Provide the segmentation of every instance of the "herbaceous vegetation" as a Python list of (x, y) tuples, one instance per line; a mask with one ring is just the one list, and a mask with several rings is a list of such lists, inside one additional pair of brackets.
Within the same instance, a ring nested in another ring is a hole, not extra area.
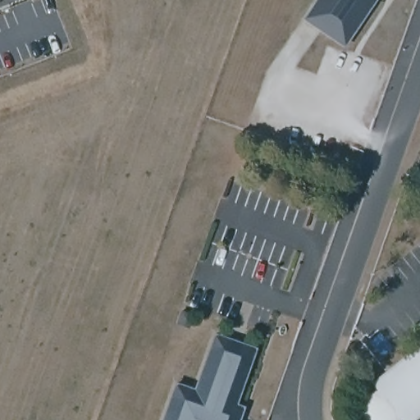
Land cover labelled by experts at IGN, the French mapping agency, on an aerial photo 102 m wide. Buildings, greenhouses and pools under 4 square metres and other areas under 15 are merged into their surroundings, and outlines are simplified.
[(340, 43), (338, 39), (320, 30), (310, 48), (300, 57), (297, 67), (302, 71), (318, 72), (326, 48), (349, 54), (356, 49), (358, 41)]
[(202, 312), (185, 313), (185, 308), (189, 302), (195, 269), (202, 262), (207, 249), (205, 241), (217, 217), (220, 202), (225, 200), (226, 185), (231, 177), (235, 177), (235, 180), (240, 179), (240, 172), (244, 169), (244, 159), (235, 149), (235, 138), (243, 131), (244, 128), (254, 125), (251, 113), (261, 94), (267, 69), (289, 41), (290, 34), (300, 25), (300, 21), (307, 20), (308, 13), (317, 0), (246, 0), (240, 23), (231, 41), (225, 64), (218, 75), (215, 90), (208, 103), (207, 115), (200, 125), (199, 136), (185, 167), (184, 179), (164, 226), (161, 244), (157, 248), (156, 258), (149, 271), (141, 299), (136, 305), (135, 317), (131, 320), (130, 330), (121, 348), (120, 358), (108, 384), (97, 420), (164, 420), (174, 389), (179, 386), (180, 381), (195, 386), (195, 379), (202, 376), (213, 340), (218, 336), (218, 328), (220, 328), (221, 317), (210, 315), (203, 318)]
[(302, 330), (302, 322), (297, 318), (279, 315), (276, 330), (269, 336), (269, 343), (266, 346), (261, 371), (254, 381), (251, 392), (253, 407), (248, 420), (269, 420), (276, 405), (277, 395), (281, 392), (282, 381), (294, 353), (295, 343)]
[(377, 85), (381, 90), (376, 94), (376, 102), (367, 103), (363, 115), (363, 125), (372, 131), (418, 0), (394, 0), (363, 49), (364, 56), (374, 59), (381, 66), (377, 75)]
[(389, 264), (390, 258), (395, 254), (407, 256), (420, 246), (420, 220), (405, 220), (404, 215), (400, 213), (399, 203), (407, 200), (407, 190), (402, 177), (409, 176), (409, 169), (413, 164), (420, 167), (420, 112), (413, 125), (412, 135), (405, 148), (394, 184), (390, 187), (389, 200), (382, 215), (381, 225), (359, 279), (358, 290), (354, 294), (359, 302), (364, 302), (364, 308), (374, 308), (366, 302), (367, 294), (374, 285), (379, 285), (394, 276)]
[(87, 61), (89, 44), (85, 41), (84, 31), (80, 28), (80, 21), (75, 15), (71, 0), (56, 0), (56, 8), (51, 8), (51, 13), (56, 13), (66, 34), (66, 43), (59, 49), (59, 54), (34, 54), (28, 59), (16, 61), (13, 67), (8, 61), (0, 66), (0, 95), (5, 90), (15, 89), (18, 85), (28, 84)]

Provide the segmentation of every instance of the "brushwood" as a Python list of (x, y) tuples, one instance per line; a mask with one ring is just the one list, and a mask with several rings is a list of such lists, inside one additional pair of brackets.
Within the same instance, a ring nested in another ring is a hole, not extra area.
[(236, 400), (236, 407), (241, 409), (238, 420), (248, 420), (253, 407), (251, 392), (254, 381), (261, 371), (266, 346), (258, 345), (254, 348), (253, 359), (249, 364), (249, 382), (244, 382), (243, 392)]
[(294, 287), (300, 262), (304, 259), (304, 254), (294, 251), (282, 277), (281, 289), (285, 292), (290, 292)]

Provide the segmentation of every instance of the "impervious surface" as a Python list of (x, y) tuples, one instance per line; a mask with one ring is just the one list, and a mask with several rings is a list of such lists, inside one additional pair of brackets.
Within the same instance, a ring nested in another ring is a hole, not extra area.
[[(297, 318), (302, 322), (302, 330), (295, 343), (294, 353), (282, 381), (281, 392), (277, 395), (276, 405), (269, 420), (335, 420), (333, 390), (338, 386), (338, 372), (343, 354), (356, 353), (363, 359), (369, 359), (372, 371), (379, 377), (392, 364), (399, 338), (407, 335), (412, 323), (420, 323), (420, 246), (407, 256), (395, 254), (390, 258), (389, 264), (394, 276), (379, 285), (374, 285), (367, 294), (366, 302), (374, 308), (364, 308), (364, 302), (359, 302), (354, 294), (358, 290), (359, 279), (381, 225), (382, 215), (389, 200), (390, 187), (394, 184), (405, 148), (412, 135), (413, 125), (420, 112), (420, 0), (418, 0), (372, 131), (381, 133), (382, 138), (386, 139), (386, 143), (379, 151), (381, 162), (369, 177), (366, 194), (359, 200), (356, 210), (348, 210), (345, 215), (330, 217), (328, 220), (325, 215), (318, 213), (307, 217), (307, 210), (294, 212), (285, 207), (285, 203), (271, 202), (266, 199), (266, 195), (261, 197), (258, 192), (246, 194), (235, 184), (235, 180), (235, 177), (231, 177), (226, 185), (225, 200), (220, 202), (217, 217), (205, 241), (207, 249), (202, 262), (195, 269), (189, 302), (185, 308), (185, 313), (202, 312), (203, 318), (210, 315), (221, 317), (223, 317), (223, 315), (228, 315), (228, 317), (230, 317), (231, 325), (236, 326), (236, 333), (231, 333), (231, 335), (238, 340), (244, 340), (244, 333), (249, 330), (258, 330), (262, 335), (269, 336), (276, 330), (279, 315)], [(304, 254), (304, 259), (300, 262), (294, 287), (290, 292), (285, 292), (281, 289), (282, 277), (294, 251)]]
[(56, 0), (0, 0), (0, 66), (8, 61), (13, 67), (16, 61), (28, 59), (34, 54), (59, 54), (59, 49), (66, 43), (66, 34), (56, 13), (51, 13), (51, 8), (56, 8)]

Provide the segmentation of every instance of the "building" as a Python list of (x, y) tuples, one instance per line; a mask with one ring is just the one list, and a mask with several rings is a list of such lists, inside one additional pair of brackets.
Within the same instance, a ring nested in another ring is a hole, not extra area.
[(338, 39), (340, 43), (358, 41), (384, 0), (317, 0), (308, 13), (307, 20), (310, 25), (320, 30)]
[(238, 420), (241, 409), (236, 407), (236, 400), (243, 392), (244, 382), (249, 382), (249, 364), (253, 359), (254, 348), (244, 345), (244, 340), (238, 340), (231, 335), (218, 336), (213, 340), (202, 376), (195, 379), (195, 386), (180, 381), (179, 386), (174, 389), (164, 420)]
[(392, 364), (379, 377), (376, 392), (372, 394), (367, 405), (369, 420), (420, 420), (420, 351), (400, 359), (399, 363)]

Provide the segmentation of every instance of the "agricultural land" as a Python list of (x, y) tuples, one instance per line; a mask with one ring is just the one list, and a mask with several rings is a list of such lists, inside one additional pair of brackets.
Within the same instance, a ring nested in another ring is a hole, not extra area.
[(240, 23), (246, 0), (71, 0), (75, 15), (80, 21), (80, 28), (84, 31), (85, 41), (89, 44), (87, 61), (28, 84), (18, 85), (15, 89), (5, 90), (0, 95), (0, 420), (97, 420), (108, 384), (120, 358), (121, 348), (130, 330), (131, 320), (135, 317), (136, 305), (141, 299), (149, 271), (156, 258), (157, 248), (161, 244), (164, 226), (184, 179), (185, 167), (199, 136), (200, 125), (207, 115), (208, 103), (215, 90), (218, 75), (225, 64), (231, 41)]

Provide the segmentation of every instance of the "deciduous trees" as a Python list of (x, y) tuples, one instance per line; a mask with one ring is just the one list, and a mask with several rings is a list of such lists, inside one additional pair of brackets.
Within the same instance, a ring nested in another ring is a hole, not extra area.
[(402, 177), (407, 190), (407, 200), (399, 203), (400, 213), (404, 215), (405, 220), (420, 220), (420, 167), (413, 164), (409, 169), (409, 176)]
[(331, 166), (331, 157), (323, 153), (312, 154), (310, 159), (305, 159), (299, 154), (284, 153), (272, 139), (254, 143), (251, 136), (244, 135), (243, 131), (235, 138), (235, 149), (244, 159), (244, 169), (240, 172), (240, 179), (235, 180), (235, 184), (246, 194), (258, 192), (261, 197), (266, 195), (266, 199), (271, 202), (285, 203), (285, 207), (294, 212), (307, 210), (307, 217), (318, 213), (325, 215), (328, 220), (330, 217), (345, 215), (348, 210), (346, 203), (349, 194), (356, 190), (358, 182), (356, 177), (349, 176), (348, 169)]
[(369, 359), (363, 359), (356, 353), (343, 354), (338, 372), (338, 386), (333, 390), (335, 420), (369, 420), (367, 405), (372, 394), (376, 392), (379, 377), (372, 371)]
[(269, 343), (269, 336), (262, 335), (258, 330), (249, 330), (244, 333), (244, 340), (244, 345), (254, 348), (258, 345), (266, 346)]
[(236, 326), (231, 325), (230, 317), (228, 317), (228, 315), (223, 315), (223, 317), (221, 317), (220, 328), (218, 328), (218, 336), (231, 335), (231, 333), (236, 333)]
[(407, 335), (399, 338), (392, 364), (399, 363), (400, 359), (420, 351), (420, 323), (412, 323)]

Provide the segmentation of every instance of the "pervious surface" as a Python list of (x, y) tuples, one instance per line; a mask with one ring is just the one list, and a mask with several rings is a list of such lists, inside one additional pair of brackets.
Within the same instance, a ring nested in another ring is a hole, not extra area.
[(349, 194), (346, 203), (348, 210), (356, 210), (359, 200), (366, 194), (369, 177), (381, 162), (379, 151), (386, 143), (386, 139), (382, 138), (381, 133), (372, 131), (363, 125), (363, 115), (367, 103), (376, 102), (376, 94), (381, 90), (377, 85), (377, 75), (381, 66), (374, 59), (364, 56), (363, 49), (394, 0), (384, 0), (358, 41), (356, 49), (349, 54), (326, 48), (318, 72), (302, 71), (297, 67), (300, 57), (310, 48), (320, 30), (310, 25), (307, 20), (300, 21), (300, 25), (290, 34), (289, 41), (267, 69), (261, 94), (251, 113), (254, 125), (244, 128), (243, 131), (244, 135), (251, 136), (254, 143), (272, 139), (284, 153), (299, 154), (305, 159), (310, 159), (312, 154), (323, 153), (331, 157), (331, 166), (348, 169), (349, 176), (356, 177), (358, 182), (356, 190)]

